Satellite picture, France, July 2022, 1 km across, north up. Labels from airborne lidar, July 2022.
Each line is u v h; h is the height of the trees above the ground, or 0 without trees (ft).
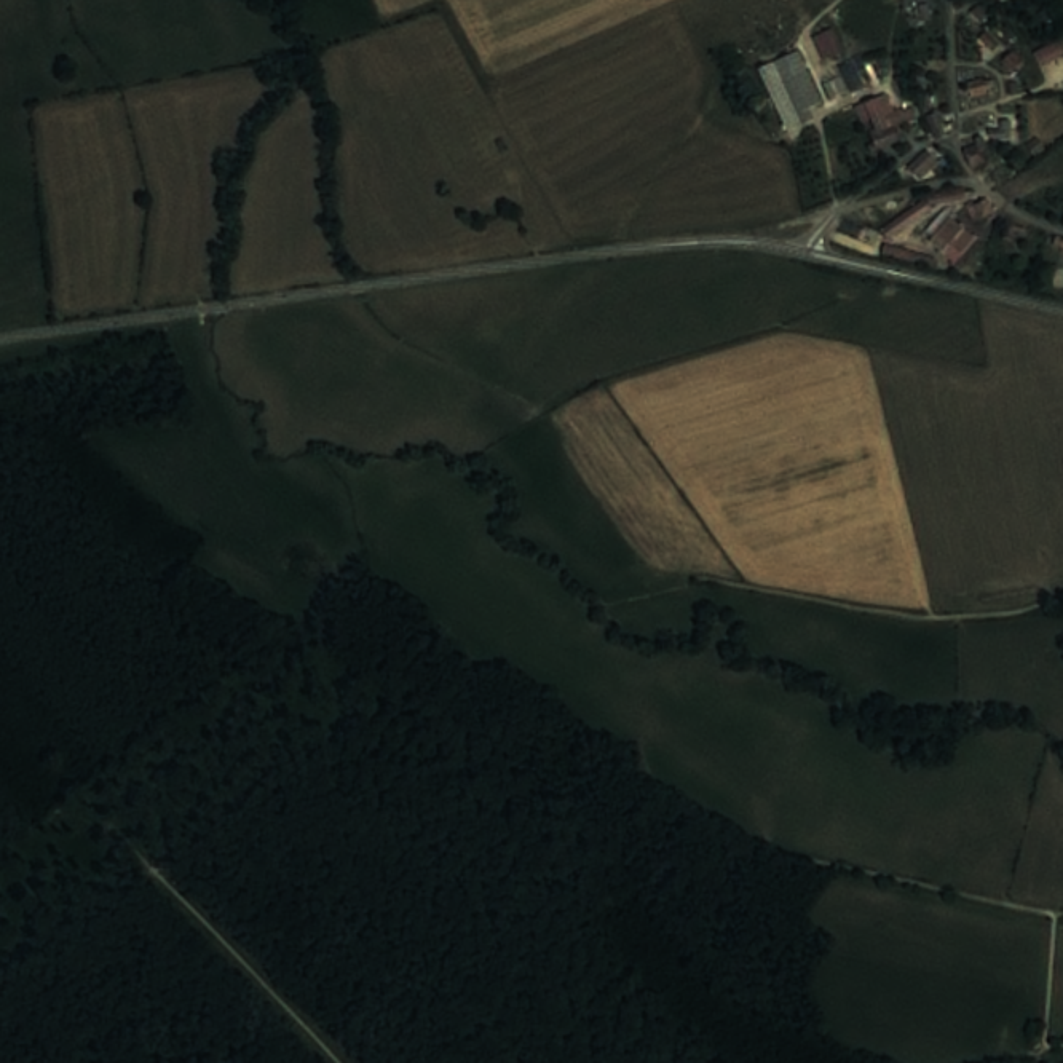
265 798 67
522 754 71
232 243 66
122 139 0
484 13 0
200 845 77
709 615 56
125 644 57
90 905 83
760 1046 30
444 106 0
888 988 0
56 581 59
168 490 0
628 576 0
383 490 0
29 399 83
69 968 72
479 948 71
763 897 88
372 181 0
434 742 84
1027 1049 0
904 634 0
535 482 0
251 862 83
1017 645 0
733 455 0
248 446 0
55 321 36
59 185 0
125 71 0
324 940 72
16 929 100
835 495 0
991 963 0
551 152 0
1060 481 0
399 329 0
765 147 0
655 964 21
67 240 0
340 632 78
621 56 0
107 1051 73
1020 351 0
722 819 51
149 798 90
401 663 83
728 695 0
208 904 69
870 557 0
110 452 0
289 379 0
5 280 0
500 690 78
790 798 0
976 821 0
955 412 0
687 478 0
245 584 0
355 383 0
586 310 0
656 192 0
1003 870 0
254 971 0
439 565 0
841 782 0
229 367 0
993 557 0
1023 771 0
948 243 0
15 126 0
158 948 73
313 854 73
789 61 0
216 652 68
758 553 0
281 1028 70
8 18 0
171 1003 81
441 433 0
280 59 61
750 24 0
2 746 19
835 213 0
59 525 52
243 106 0
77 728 52
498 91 0
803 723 0
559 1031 62
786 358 0
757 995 100
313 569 0
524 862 94
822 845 0
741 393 0
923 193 54
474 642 0
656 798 75
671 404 0
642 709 0
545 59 0
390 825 80
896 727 51
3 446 71
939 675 0
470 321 0
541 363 0
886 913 0
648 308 0
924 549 0
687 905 89
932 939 0
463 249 0
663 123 0
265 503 0
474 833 87
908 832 0
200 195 0
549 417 0
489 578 0
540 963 79
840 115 0
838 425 0
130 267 0
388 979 78
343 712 69
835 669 0
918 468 0
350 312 0
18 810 63
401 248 0
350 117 0
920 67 32
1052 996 0
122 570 63
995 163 0
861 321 0
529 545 35
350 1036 72
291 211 0
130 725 60
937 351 0
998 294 0
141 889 83
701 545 0
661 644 52
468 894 84
